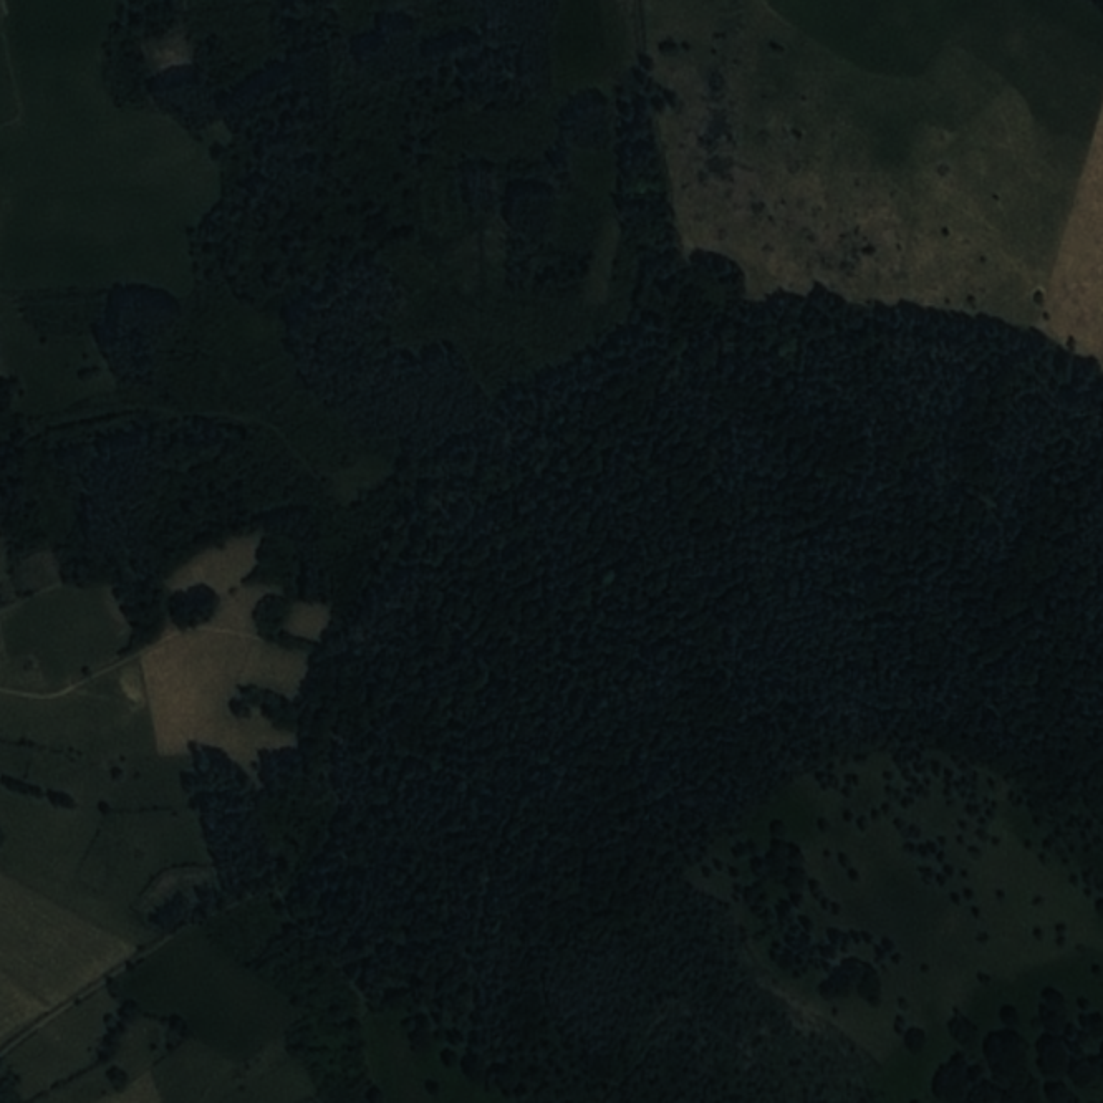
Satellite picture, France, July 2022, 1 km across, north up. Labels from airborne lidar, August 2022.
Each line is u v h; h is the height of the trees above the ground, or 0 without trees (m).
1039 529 26
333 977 8
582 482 22
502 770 23
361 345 26
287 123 19
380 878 23
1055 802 7
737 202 0
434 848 23
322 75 19
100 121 0
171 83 25
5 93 0
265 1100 0
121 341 26
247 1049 0
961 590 20
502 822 20
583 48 0
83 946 0
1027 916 0
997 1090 20
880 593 22
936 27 0
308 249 12
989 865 0
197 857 0
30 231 0
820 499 23
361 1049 10
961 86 0
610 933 8
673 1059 6
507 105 11
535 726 18
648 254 10
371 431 22
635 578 24
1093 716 22
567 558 26
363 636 26
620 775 23
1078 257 0
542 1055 8
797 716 18
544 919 16
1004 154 0
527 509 21
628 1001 15
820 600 20
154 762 0
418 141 10
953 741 18
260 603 6
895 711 23
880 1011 0
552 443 18
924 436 26
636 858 20
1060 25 0
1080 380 26
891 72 0
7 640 0
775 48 9
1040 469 21
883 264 0
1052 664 23
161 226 0
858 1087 8
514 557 25
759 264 0
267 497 6
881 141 0
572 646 24
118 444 25
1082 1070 23
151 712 0
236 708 12
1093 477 27
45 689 0
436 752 25
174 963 0
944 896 0
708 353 28
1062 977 0
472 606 24
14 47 0
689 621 25
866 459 23
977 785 8
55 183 0
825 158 0
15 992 0
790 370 8
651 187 13
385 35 24
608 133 27
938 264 0
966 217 0
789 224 0
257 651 0
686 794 22
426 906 22
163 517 6
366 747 28
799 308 17
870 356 22
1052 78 0
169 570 7
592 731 20
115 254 0
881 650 25
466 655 23
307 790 23
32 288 0
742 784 15
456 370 23
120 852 0
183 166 0
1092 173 0
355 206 10
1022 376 18
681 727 21
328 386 21
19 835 0
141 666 0
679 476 26
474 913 23
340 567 6
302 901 22
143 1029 0
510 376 7
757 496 22
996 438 27
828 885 0
